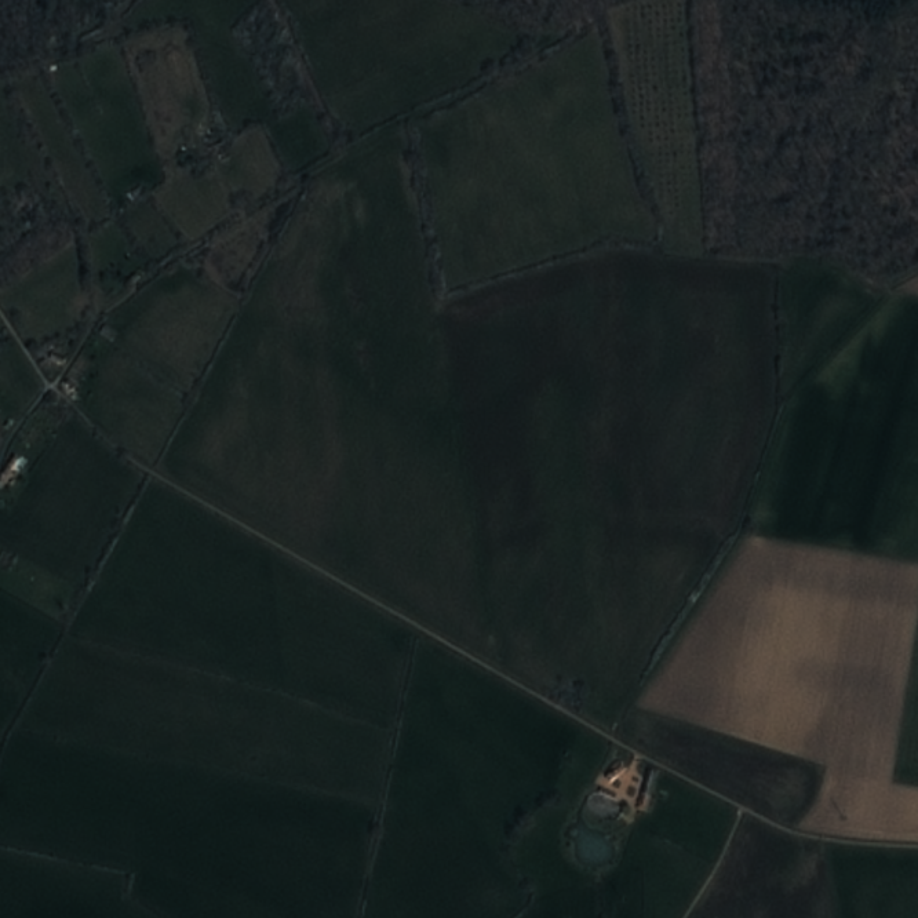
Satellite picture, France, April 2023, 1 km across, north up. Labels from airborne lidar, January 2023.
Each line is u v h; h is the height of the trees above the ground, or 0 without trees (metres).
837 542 0
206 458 0
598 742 0
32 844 0
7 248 18
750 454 0
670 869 0
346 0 0
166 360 0
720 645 0
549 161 0
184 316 0
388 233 0
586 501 0
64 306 0
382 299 0
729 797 0
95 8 9
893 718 0
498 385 0
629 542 0
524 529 0
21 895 0
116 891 0
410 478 0
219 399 0
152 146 14
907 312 0
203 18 0
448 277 0
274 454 0
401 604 0
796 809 0
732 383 0
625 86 10
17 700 0
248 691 0
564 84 0
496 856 0
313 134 0
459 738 0
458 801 0
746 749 0
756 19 20
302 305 0
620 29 0
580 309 0
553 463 0
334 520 0
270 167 0
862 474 0
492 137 0
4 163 0
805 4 24
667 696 0
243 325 0
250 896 0
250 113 0
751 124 21
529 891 11
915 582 0
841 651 0
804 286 0
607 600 0
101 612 0
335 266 0
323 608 0
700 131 7
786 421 0
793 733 0
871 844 0
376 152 0
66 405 8
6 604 0
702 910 0
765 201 18
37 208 12
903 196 23
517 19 18
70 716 0
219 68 0
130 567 0
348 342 0
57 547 0
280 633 0
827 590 0
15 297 0
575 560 0
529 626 0
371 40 0
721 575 0
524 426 0
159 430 0
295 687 0
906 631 0
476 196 0
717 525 0
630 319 0
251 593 0
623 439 0
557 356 0
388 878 0
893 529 0
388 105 0
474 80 6
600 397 0
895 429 0
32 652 0
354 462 0
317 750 0
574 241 0
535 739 0
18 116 10
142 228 0
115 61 0
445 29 0
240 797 0
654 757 0
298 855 0
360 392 0
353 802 0
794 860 0
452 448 0
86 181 0
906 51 9
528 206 0
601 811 0
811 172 23
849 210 12
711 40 17
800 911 0
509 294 0
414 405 0
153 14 0
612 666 0
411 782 0
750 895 0
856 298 0
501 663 0
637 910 0
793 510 0
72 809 0
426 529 0
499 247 0
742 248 12
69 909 0
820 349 0
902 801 0
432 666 0
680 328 0
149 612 0
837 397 0
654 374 0
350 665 0
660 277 0
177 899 0
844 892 0
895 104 18
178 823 0
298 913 0
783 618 0
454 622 0
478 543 0
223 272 0
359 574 0
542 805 12
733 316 0
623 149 0
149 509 0
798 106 25
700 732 0
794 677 0
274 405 0
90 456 0
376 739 0
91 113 0
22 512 0
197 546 0
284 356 0
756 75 15
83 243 10
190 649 0
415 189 11
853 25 18
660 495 0
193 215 0
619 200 0
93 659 0
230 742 0
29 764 0
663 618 0
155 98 0
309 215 0
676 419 0
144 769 0
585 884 0
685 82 6
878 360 0
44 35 22
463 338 0
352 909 0
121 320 0
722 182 12
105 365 0
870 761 0
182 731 0
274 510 0
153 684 0
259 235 0
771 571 0
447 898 0
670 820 0
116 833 0
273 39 7
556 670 0
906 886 0
